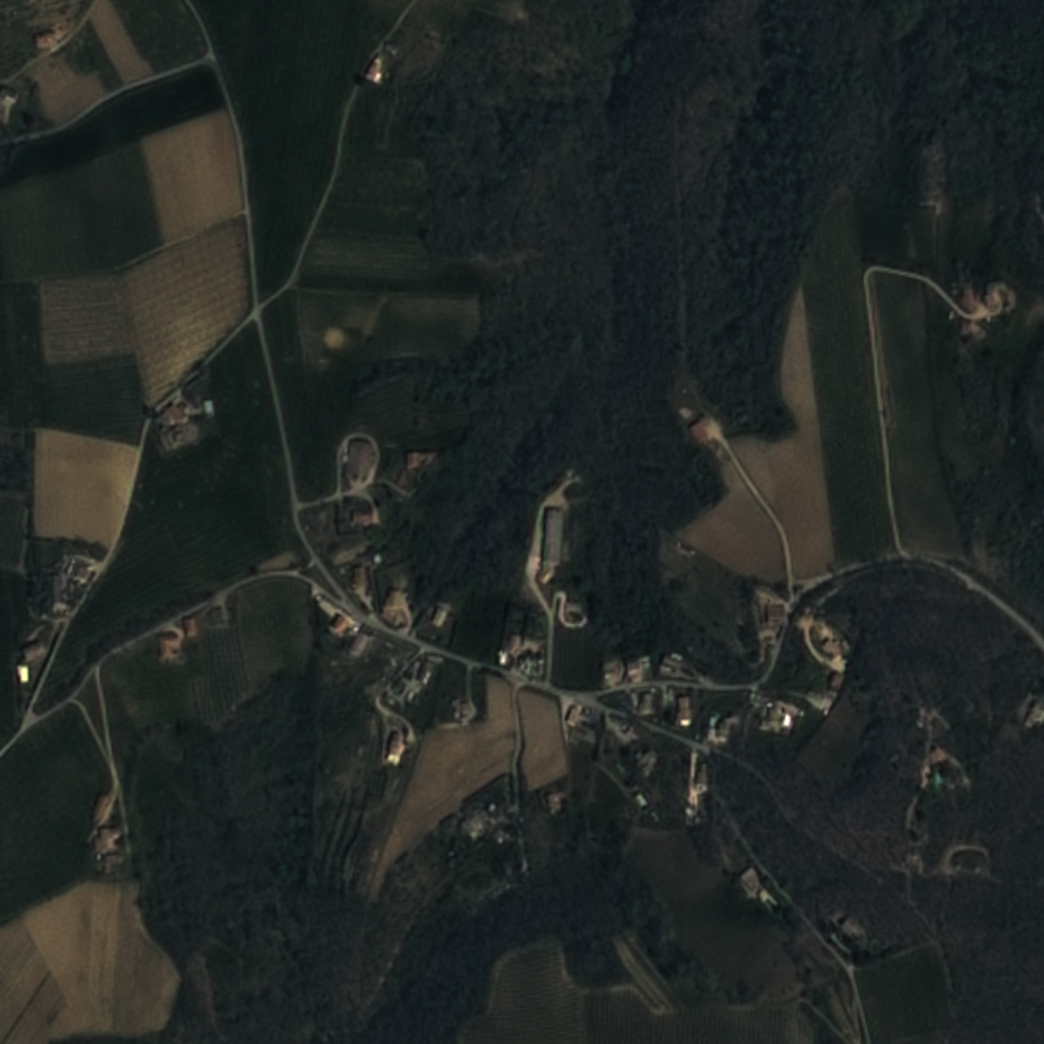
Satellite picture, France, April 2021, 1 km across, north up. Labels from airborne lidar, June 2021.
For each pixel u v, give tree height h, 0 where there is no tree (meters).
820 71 14
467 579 7
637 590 19
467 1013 13
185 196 0
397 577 0
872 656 15
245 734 14
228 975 7
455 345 0
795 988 7
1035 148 11
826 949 6
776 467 0
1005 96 22
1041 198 17
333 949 10
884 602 15
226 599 0
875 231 0
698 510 11
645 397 6
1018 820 11
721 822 16
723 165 20
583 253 13
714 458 0
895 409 0
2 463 18
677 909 0
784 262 12
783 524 0
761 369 11
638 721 9
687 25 19
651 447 9
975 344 9
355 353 0
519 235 11
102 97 0
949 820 10
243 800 10
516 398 12
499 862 10
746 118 20
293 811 13
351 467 0
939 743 7
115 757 0
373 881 0
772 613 0
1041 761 14
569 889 23
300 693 17
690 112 15
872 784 14
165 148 0
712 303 17
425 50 7
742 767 12
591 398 24
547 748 0
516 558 16
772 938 0
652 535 9
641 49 20
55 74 0
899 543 0
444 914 14
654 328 9
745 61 18
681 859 0
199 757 6
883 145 9
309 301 0
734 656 11
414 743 0
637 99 12
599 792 0
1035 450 22
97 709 0
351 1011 14
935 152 0
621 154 11
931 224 0
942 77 11
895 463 0
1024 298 0
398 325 0
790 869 16
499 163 18
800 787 12
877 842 14
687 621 7
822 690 0
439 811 0
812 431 0
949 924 12
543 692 0
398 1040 8
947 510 0
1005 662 16
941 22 30
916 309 0
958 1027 11
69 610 7
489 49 19
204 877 15
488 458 14
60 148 0
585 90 27
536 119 19
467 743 0
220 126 0
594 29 11
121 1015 0
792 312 0
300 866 16
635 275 17
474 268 0
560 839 11
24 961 0
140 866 10
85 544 8
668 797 8
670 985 22
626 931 16
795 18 14
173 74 0
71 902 0
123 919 0
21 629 0
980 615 16
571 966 12
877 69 8
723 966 0
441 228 13
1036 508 23
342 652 9
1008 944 11
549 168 13
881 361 0
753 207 14
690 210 11
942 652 18
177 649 7
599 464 18
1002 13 17
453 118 20
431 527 16
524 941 13
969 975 13
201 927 22
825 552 0
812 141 20
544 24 12
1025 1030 16
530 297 13
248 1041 17
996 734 16
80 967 0
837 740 0
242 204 0
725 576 0
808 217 7
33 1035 0
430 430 0
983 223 0
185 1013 9
